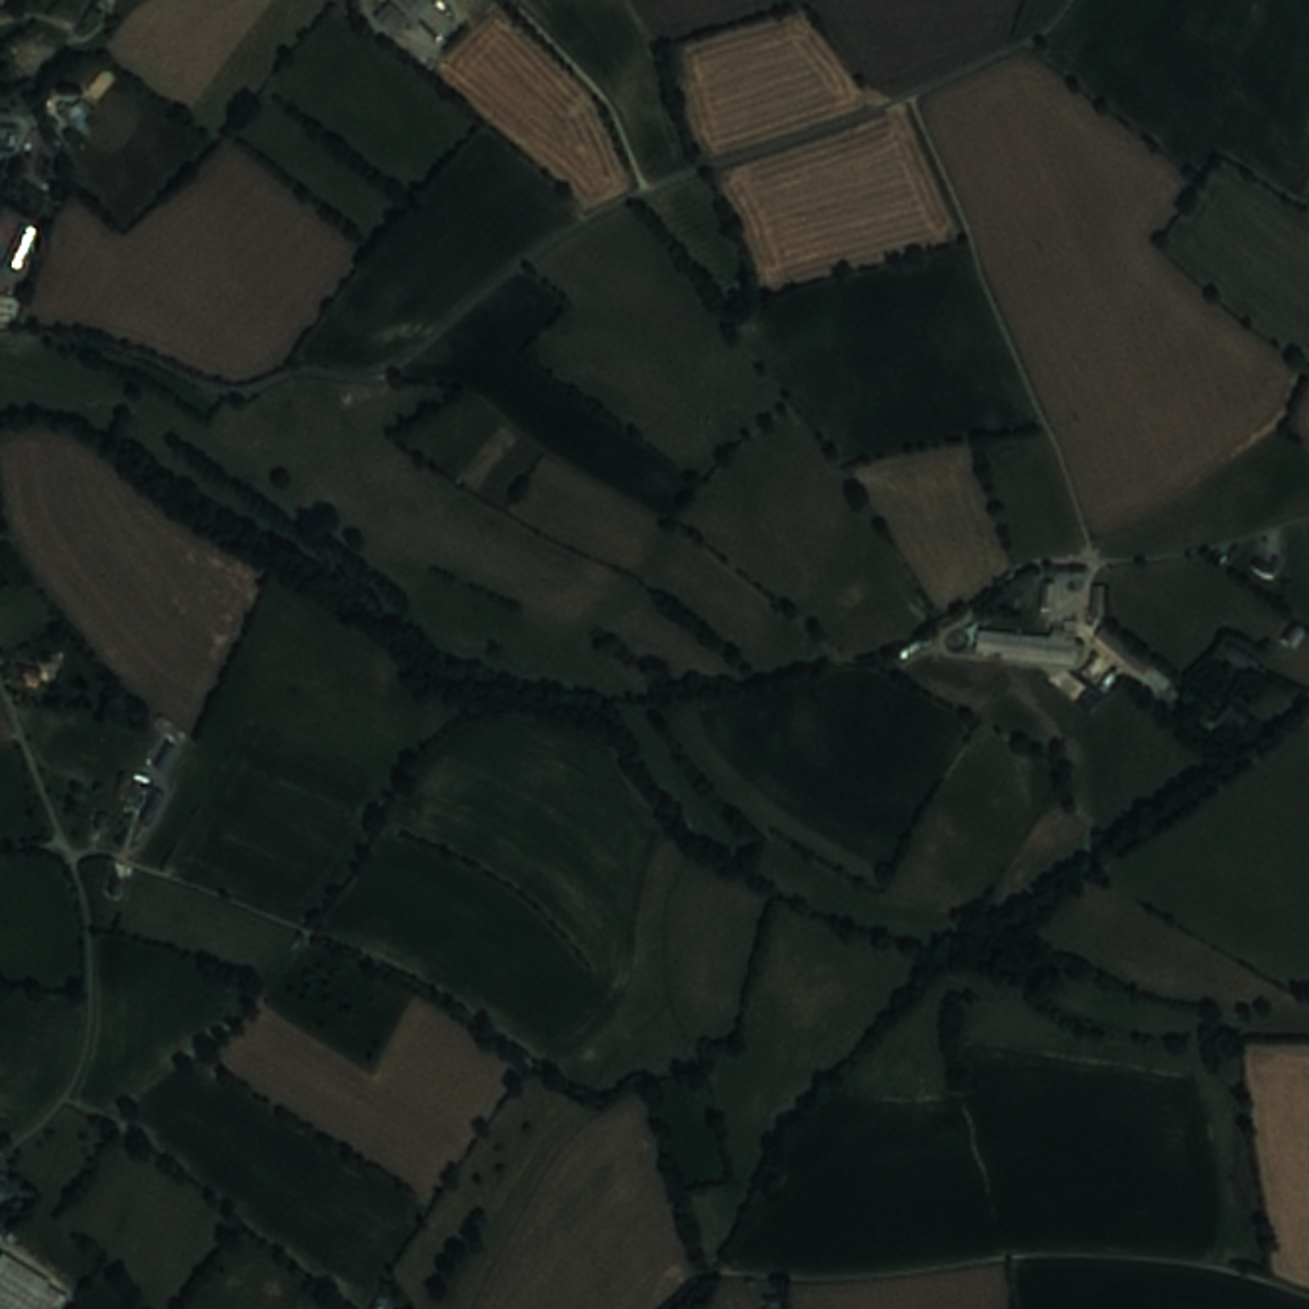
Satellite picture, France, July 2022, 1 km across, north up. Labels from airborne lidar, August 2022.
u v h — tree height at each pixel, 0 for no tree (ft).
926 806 20
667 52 33
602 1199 0
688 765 43
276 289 0
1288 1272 0
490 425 0
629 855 0
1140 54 0
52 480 0
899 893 0
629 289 0
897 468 0
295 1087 0
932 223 0
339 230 22
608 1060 0
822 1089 47
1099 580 0
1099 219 0
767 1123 0
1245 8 0
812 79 0
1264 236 0
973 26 0
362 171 41
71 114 0
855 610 0
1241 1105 64
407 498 0
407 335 0
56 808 0
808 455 0
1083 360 0
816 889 0
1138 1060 0
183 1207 0
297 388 0
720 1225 0
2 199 25
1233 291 0
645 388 0
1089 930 0
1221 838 0
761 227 0
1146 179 0
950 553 0
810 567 0
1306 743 0
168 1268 0
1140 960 0
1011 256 0
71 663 0
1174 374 0
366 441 0
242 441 0
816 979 0
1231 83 0
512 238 0
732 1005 0
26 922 0
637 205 31
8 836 0
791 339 0
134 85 22
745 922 0
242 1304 0
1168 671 31
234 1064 0
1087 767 0
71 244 0
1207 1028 24
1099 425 0
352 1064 0
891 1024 35
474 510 0
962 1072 21
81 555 0
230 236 0
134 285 0
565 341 0
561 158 0
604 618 0
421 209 43
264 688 0
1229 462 0
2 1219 33
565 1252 0
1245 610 0
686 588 0
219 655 0
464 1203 0
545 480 0
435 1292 45
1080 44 0
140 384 35
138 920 0
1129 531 0
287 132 0
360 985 0
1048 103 0
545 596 0
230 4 0
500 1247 0
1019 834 0
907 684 38
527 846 0
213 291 0
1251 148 0
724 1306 0
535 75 0
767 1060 0
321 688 0
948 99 0
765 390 0
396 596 78
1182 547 0
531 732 0
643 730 0
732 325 31
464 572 0
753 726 0
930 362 0
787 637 0
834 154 0
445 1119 0
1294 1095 0
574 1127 0
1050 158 0
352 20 20
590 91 0
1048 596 0
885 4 0
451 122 0
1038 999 66
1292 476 0
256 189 0
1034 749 29
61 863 28
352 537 48
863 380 0
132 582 0
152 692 0
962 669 0
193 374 30
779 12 39
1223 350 0
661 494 0
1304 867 0
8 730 0
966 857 0
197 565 0
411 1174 0
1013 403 0
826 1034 0
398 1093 0
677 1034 0
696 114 0
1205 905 0
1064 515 0
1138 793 0
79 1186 38
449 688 37
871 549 0
